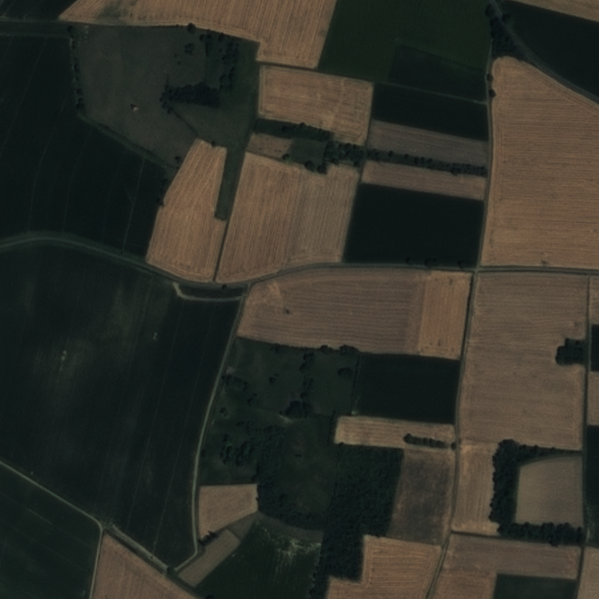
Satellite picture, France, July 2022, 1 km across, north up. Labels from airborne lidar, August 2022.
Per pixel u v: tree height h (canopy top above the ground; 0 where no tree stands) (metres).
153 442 0
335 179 0
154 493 0
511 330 0
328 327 0
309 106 0
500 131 0
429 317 0
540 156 0
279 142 0
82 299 0
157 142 0
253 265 0
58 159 0
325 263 0
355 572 16
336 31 0
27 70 0
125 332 0
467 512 0
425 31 0
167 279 0
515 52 16
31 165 0
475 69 0
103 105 0
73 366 0
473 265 0
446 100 0
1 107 0
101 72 0
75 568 0
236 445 0
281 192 0
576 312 0
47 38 0
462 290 0
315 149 0
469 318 0
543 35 0
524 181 0
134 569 0
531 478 0
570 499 0
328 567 13
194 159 0
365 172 0
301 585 0
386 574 0
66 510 0
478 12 0
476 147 0
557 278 0
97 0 0
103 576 0
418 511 0
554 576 0
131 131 0
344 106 0
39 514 0
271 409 0
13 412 0
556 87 0
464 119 0
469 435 0
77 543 0
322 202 0
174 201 0
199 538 0
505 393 0
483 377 0
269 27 0
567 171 0
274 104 0
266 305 0
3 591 0
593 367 0
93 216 0
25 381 0
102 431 0
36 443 0
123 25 0
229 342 0
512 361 0
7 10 0
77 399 0
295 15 0
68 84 0
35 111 0
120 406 0
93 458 0
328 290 0
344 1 0
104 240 0
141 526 0
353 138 0
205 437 0
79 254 0
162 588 0
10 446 0
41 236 0
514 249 0
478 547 0
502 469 13
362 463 6
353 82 0
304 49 0
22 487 0
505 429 0
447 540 0
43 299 0
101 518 0
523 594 0
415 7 0
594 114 0
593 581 0
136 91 0
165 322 0
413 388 0
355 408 0
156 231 0
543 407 0
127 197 0
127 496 0
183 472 0
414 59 0
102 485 0
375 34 0
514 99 0
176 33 0
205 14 0
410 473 0
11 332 0
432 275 0
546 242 0
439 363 0
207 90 10
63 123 0
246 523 0
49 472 0
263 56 0
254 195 0
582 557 0
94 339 0
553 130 0
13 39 0
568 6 0
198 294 0
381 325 0
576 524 0
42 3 0
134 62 0
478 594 0
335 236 0
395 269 0
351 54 0
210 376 0
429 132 0
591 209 0
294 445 0
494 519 10
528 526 14
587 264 0
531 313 0
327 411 0
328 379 0
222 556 0
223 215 0
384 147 0
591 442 0
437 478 0
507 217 0
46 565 0
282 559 0
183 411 0
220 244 0
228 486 0
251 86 0
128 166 0
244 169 0
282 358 0
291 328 0
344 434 0
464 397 0
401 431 0
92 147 0
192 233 0
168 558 0
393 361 0
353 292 0
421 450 0
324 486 0
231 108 0
